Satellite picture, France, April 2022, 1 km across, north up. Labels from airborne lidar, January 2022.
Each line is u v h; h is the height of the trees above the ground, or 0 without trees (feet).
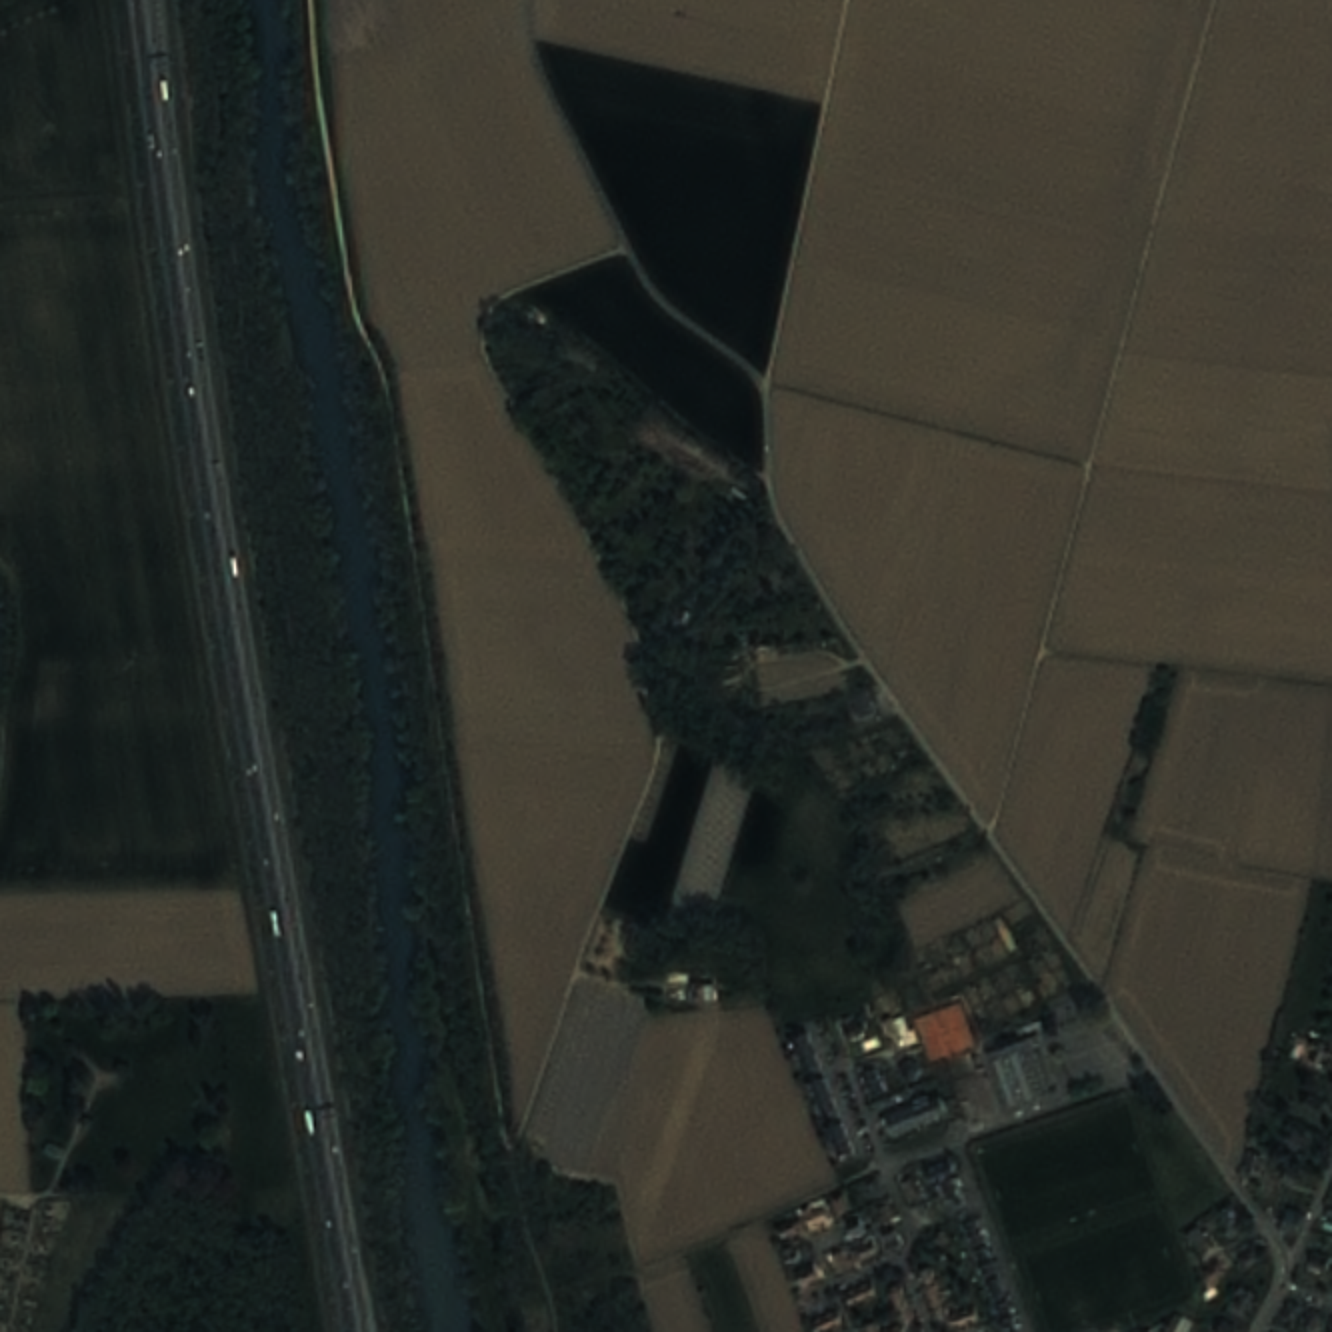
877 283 0
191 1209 78
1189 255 0
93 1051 0
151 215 0
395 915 0
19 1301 0
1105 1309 0
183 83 0
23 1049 0
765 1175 0
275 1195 0
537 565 0
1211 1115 0
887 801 29
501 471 0
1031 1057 0
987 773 0
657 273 0
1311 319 0
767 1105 0
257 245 60
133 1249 70
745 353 0
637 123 0
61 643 0
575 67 0
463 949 47
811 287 0
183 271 0
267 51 0
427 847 70
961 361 0
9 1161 0
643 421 36
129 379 0
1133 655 0
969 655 0
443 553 0
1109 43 0
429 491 0
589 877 0
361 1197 0
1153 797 0
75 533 0
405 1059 0
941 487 0
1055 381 0
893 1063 0
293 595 57
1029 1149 0
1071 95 0
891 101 0
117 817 0
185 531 0
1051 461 0
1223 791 0
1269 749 0
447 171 0
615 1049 0
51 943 0
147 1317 64
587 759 0
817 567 0
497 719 0
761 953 55
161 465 0
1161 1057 0
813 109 0
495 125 0
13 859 0
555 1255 41
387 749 0
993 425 0
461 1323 0
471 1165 0
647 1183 0
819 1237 0
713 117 0
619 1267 37
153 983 0
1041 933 0
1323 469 0
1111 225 0
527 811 0
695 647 76
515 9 0
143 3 0
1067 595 0
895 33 0
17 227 0
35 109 0
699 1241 0
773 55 0
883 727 0
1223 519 0
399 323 0
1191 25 0
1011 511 0
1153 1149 0
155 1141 0
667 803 0
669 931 44
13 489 0
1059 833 0
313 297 0
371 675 0
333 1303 0
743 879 0
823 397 0
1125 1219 0
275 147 0
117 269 0
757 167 0
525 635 0
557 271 0
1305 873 0
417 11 0
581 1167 0
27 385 0
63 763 0
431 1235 0
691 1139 0
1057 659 0
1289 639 0
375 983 57
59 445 0
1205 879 0
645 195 0
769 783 47
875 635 0
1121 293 0
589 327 0
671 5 0
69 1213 0
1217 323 0
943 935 0
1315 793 0
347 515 0
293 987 0
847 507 0
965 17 0
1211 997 0
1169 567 0
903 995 0
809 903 0
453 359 0
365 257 0
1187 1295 0
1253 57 0
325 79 0
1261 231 0
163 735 0
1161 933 0
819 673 0
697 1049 0
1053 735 0
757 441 0
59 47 0
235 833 0
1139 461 0
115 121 0
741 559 56
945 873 37
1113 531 0
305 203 40
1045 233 0
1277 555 0
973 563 0
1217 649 0
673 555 38
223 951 0
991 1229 0
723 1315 0
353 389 40
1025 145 0
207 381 0
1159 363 0
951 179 0
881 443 0
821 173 0
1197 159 0
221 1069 0
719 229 0
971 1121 0
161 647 0
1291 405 0
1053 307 0
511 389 44
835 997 0
